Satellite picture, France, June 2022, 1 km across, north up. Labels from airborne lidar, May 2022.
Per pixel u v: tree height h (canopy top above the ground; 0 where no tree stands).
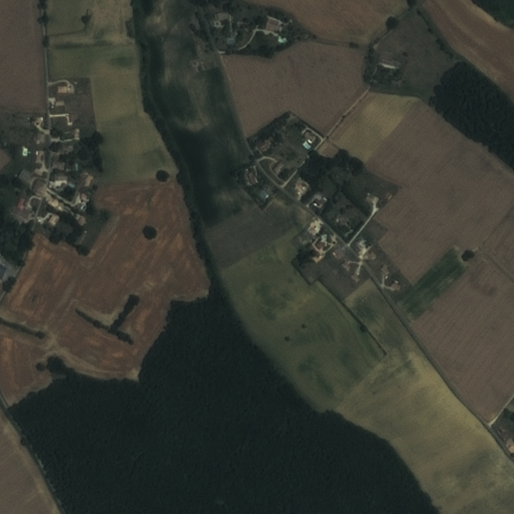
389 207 0
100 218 0
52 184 0
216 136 0
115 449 17
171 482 19
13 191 0
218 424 18
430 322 0
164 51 0
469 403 0
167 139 8
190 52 0
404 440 0
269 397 20
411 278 0
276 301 0
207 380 13
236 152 0
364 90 0
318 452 19
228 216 0
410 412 0
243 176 12
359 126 0
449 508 0
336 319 0
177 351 13
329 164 15
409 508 24
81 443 13
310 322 0
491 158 0
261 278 0
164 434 11
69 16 0
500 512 0
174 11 0
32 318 0
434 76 0
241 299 0
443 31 0
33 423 14
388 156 0
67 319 0
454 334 0
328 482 18
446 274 0
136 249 0
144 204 0
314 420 22
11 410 16
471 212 0
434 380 0
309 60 0
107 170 0
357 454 26
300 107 0
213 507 25
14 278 14
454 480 0
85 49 0
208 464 19
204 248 31
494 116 22
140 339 0
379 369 0
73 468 18
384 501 23
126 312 12
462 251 0
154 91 0
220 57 0
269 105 0
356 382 0
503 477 0
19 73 0
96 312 0
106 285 0
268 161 0
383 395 0
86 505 14
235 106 0
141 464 18
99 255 0
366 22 0
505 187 0
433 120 0
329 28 0
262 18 20
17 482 0
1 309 0
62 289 0
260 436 25
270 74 0
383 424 0
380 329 0
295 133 0
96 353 0
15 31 0
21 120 0
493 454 0
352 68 0
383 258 0
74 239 16
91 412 14
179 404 15
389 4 0
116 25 0
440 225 0
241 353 18
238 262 0
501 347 0
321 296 0
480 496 0
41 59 0
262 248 0
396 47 0
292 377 0
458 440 0
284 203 0
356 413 0
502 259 0
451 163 0
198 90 0
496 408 0
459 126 14
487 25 0
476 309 0
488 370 0
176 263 0
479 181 0
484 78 18
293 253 0
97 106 0
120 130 0
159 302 0
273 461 19
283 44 9
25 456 0
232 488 26
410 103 0
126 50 0
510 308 0
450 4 0
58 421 14
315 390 0
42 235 0
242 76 0
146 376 15
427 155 0
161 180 15
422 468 0
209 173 0
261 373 23
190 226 0
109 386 14
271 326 0
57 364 11
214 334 19
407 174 0
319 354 0
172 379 14
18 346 0
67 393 16
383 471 24
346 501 21
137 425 17
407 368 0
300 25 0
